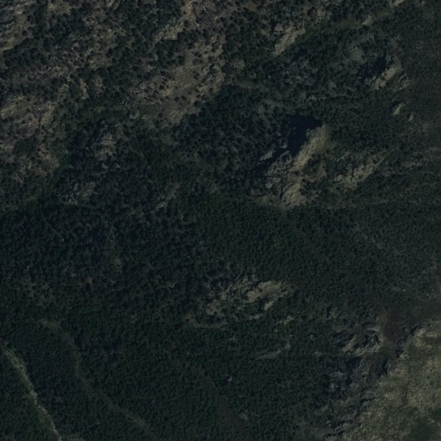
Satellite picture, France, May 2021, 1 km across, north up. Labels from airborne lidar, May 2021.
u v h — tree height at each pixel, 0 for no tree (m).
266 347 12
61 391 24
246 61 26
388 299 8
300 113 10
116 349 29
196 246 12
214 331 12
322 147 0
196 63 22
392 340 0
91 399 9
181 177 14
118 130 10
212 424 13
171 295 21
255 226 10
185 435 13
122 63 27
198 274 21
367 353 0
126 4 26
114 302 15
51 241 28
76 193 6
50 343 15
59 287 29
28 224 34
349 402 0
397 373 0
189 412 14
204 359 11
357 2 18
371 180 15
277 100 12
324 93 9
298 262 16
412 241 8
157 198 7
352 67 12
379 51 9
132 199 28
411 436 0
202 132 13
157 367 15
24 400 18
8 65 22
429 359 0
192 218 7
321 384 6
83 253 12
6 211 8
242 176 13
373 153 12
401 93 7
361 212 8
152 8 16
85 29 17
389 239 9
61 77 10
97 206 28
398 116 9
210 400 14
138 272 25
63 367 11
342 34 8
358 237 6
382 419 0
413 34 7
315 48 17
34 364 21
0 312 17
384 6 14
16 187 16
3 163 21
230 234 10
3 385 15
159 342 12
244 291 11
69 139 12
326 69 12
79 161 26
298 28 9
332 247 9
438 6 6
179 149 12
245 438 8
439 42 7
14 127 17
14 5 16
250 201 14
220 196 9
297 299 18
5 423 15
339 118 11
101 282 20
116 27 18
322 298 11
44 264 31
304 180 17
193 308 23
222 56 18
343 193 9
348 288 9
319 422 8
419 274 8
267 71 15
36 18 15
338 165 12
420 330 0
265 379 14
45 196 16
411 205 13
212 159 25
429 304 0
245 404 13
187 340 14
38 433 20
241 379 14
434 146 8
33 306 17
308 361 9
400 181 8
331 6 15
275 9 24
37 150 11
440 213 7
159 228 26
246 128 20
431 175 6
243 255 9
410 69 10
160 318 10
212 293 10
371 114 8
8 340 12
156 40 15
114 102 10
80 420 10
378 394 0
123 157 18
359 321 10
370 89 9
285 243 13
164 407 7
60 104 17
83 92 16
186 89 0
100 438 8
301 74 7
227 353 10
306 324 7
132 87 23
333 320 9
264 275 11
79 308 21
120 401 10
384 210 9
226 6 20
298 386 7
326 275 15
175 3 17
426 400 0
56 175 18
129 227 17
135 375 12
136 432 10
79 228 18
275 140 6
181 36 23
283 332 12
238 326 12
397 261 7
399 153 10
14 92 15
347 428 0
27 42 27
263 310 21
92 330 16
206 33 13
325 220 19
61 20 26
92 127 25
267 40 26
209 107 25
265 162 16
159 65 18
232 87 17
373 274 13
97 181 19
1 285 17
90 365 19
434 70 8
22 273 22
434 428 0
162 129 7
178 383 12
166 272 22
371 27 13
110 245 17
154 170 11
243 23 33
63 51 6
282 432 11
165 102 7
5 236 26
